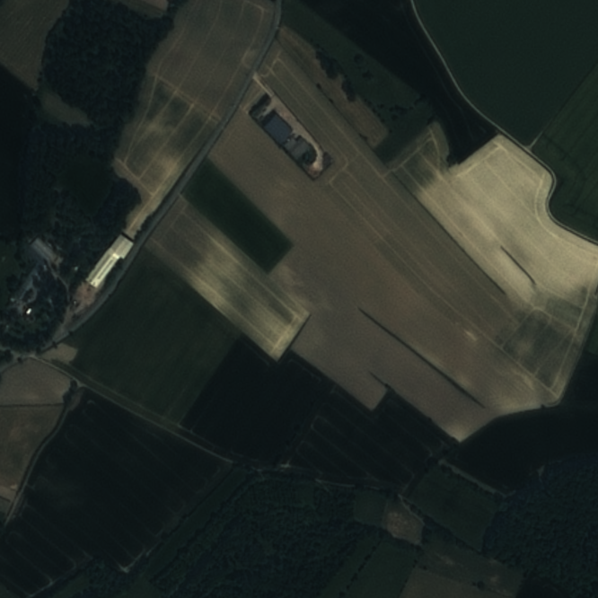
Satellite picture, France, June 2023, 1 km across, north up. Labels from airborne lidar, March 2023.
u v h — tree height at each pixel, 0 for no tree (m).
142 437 0
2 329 17
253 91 0
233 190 0
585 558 27
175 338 0
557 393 0
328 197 0
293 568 20
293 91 0
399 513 0
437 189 0
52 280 32
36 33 0
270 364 0
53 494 0
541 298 0
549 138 0
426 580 0
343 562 11
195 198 0
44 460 0
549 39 0
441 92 0
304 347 0
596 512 27
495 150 0
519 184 0
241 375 0
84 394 0
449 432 0
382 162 0
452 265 0
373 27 0
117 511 0
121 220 20
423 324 0
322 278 0
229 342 0
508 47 0
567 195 0
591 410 0
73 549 0
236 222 0
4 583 0
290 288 0
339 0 0
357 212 0
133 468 0
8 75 0
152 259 0
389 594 0
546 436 0
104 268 0
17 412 0
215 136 0
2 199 0
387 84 0
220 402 0
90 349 0
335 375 0
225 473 0
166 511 0
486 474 0
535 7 0
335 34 0
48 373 0
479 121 0
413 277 0
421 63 0
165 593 8
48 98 0
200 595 14
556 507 26
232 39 0
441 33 0
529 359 0
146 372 0
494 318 0
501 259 0
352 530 9
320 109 0
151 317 0
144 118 0
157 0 0
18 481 0
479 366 0
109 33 24
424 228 0
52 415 0
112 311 0
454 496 0
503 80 0
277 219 0
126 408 0
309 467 0
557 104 0
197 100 0
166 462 0
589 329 0
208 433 0
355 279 0
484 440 0
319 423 0
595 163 0
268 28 0
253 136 0
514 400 0
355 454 0
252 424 0
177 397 0
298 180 0
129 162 0
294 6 0
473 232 0
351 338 0
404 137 0
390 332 0
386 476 0
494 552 20
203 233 0
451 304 0
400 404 0
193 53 0
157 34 23
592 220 0
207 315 0
